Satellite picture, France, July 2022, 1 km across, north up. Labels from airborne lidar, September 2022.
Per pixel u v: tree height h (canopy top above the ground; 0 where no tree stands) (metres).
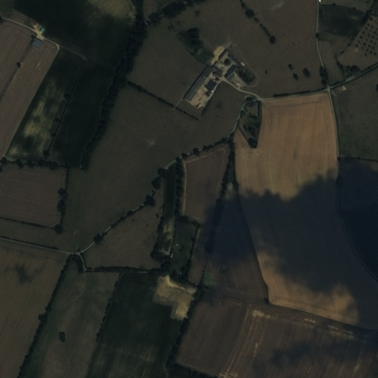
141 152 0
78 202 0
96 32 0
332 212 0
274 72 0
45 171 0
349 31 0
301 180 0
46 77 0
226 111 0
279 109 0
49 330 0
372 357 0
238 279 0
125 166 0
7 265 0
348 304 0
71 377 0
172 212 0
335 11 0
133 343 0
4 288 0
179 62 0
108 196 0
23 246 0
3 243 0
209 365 0
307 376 0
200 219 0
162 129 0
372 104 0
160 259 20
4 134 0
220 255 0
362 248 0
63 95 0
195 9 0
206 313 0
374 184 0
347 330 0
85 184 0
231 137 8
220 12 0
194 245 7
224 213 0
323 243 0
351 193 0
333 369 0
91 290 0
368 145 0
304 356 0
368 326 0
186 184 0
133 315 0
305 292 0
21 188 0
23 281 0
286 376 0
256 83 0
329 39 0
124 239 0
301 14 0
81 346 0
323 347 0
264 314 0
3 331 0
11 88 0
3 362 0
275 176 0
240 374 0
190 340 0
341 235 0
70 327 0
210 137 0
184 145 0
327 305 0
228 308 0
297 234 0
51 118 0
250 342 0
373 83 0
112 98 23
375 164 0
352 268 0
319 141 0
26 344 0
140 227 0
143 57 0
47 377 0
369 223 8
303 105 0
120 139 0
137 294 0
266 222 0
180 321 0
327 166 0
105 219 0
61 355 0
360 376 0
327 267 0
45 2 0
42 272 0
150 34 0
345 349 0
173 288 0
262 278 0
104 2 0
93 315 0
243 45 0
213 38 0
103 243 0
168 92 0
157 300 0
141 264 0
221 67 0
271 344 0
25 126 0
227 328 0
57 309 0
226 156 0
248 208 0
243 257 0
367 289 0
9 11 0
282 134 0
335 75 0
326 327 0
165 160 0
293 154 0
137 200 0
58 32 0
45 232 0
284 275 0
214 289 0
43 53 0
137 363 0
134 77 0
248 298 0
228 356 0
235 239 0
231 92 0
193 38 8
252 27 0
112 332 0
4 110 0
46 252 0
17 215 0
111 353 0
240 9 0
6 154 0
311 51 0
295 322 0
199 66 0
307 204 0
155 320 0
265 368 0
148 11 0
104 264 0
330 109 0
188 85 0
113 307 0
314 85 0
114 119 0
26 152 0
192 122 0
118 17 0
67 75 0
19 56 0
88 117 0
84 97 0
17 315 0
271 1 0
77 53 0
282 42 0
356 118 0
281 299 0
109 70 0
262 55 0
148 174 0
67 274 0
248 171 0
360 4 0
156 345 0
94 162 0
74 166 0
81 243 0
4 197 0
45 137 0
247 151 0
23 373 14
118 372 0
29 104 0
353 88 0
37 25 0
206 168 0
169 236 0
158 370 0
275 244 0
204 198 0
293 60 0
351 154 0
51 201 0
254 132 16
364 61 0
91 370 0
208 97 0
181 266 0
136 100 0
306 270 0
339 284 0
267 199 0
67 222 0
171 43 0
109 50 0
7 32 0
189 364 0
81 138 0
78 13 0
